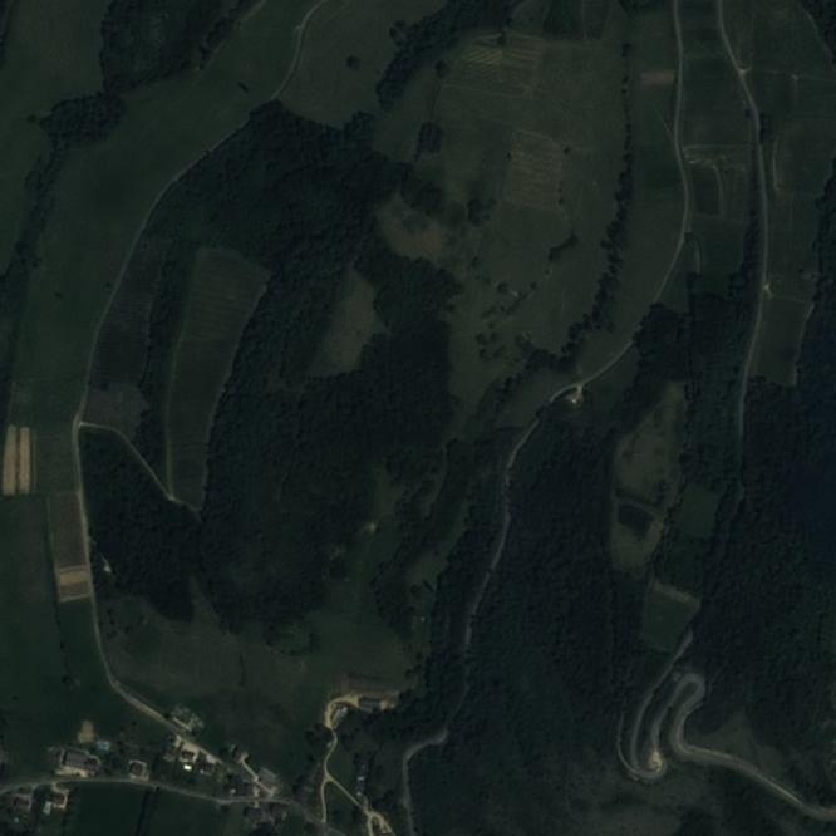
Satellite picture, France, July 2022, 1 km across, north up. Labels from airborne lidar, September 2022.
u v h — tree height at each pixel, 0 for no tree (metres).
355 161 15
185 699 0
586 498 12
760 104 0
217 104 0
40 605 0
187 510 13
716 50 0
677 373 8
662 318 13
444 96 0
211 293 0
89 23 0
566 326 0
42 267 9
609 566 9
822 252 12
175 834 0
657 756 0
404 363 16
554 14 7
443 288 6
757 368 0
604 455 12
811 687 6
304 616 7
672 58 0
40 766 0
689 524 0
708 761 0
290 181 14
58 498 0
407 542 14
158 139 0
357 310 0
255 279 0
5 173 0
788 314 0
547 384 0
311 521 8
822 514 15
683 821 8
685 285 0
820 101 0
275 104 11
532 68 0
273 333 11
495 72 0
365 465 19
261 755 0
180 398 0
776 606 20
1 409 8
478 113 0
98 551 7
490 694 8
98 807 0
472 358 0
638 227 0
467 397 0
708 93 0
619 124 0
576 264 0
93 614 0
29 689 0
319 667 0
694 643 6
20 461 0
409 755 0
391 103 8
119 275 0
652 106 0
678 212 0
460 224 0
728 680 8
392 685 0
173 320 9
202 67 7
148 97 0
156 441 7
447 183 0
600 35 0
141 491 13
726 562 18
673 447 0
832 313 9
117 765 8
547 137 0
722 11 0
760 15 0
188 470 0
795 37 0
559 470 20
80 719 0
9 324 0
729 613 21
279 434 5
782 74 0
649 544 0
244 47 0
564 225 0
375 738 12
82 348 0
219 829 0
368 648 0
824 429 15
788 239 0
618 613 11
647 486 0
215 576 14
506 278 0
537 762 7
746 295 12
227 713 0
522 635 6
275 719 0
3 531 0
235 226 6
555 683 6
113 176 0
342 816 11
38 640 0
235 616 13
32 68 0
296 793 12
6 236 0
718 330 15
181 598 17
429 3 0
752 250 8
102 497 6
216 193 9
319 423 14
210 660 0
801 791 7
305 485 9
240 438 7
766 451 17
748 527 20
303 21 0
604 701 9
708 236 0
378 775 11
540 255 0
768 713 6
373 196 14
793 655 6
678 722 0
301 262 20
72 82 0
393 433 17
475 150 0
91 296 0
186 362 0
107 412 0
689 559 8
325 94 0
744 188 0
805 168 0
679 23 0
